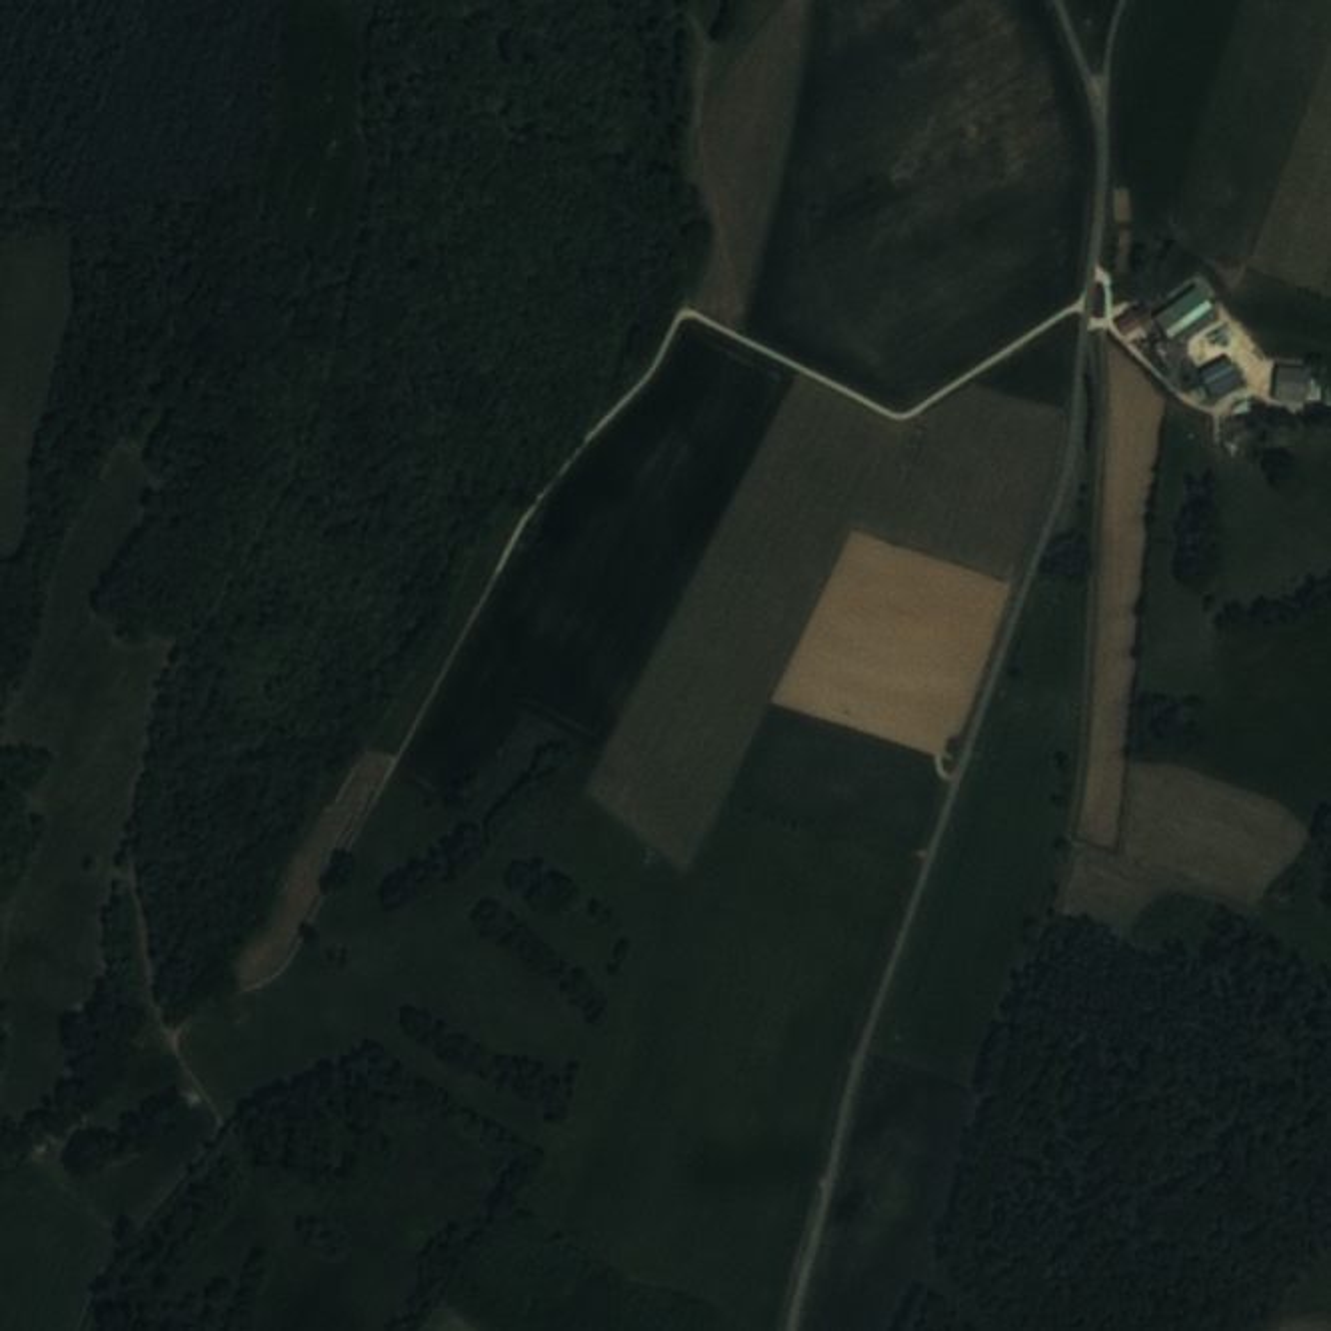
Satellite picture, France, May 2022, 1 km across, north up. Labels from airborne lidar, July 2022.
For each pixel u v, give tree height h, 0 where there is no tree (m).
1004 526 0
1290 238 0
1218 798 0
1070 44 0
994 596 0
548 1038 0
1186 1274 20
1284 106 0
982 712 0
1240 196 0
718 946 0
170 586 17
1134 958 22
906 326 0
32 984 0
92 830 0
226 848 16
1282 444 0
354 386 23
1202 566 19
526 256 14
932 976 0
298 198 8
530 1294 11
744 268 0
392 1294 0
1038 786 0
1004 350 0
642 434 0
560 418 19
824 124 0
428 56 17
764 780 0
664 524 0
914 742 0
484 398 21
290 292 15
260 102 18
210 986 25
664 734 0
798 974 0
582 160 16
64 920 0
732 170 0
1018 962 0
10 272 0
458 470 17
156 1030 0
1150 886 0
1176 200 0
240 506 17
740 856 0
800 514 0
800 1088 0
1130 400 0
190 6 16
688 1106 0
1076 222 0
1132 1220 15
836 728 0
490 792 0
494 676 0
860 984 0
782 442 0
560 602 0
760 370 0
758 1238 0
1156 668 0
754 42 0
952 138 0
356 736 16
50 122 19
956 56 0
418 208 17
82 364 13
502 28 9
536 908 19
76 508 12
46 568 13
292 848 20
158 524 19
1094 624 0
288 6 6
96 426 15
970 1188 19
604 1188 0
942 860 0
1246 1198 18
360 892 0
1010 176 0
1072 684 0
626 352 10
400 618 16
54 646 0
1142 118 0
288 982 0
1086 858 0
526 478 15
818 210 7
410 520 15
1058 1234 16
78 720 0
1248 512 0
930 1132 0
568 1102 9
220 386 17
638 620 0
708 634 0
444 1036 11
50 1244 0
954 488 0
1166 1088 16
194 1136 0
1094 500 0
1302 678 0
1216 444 0
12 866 15
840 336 0
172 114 18
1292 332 0
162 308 7
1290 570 0
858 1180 0
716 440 0
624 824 0
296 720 15
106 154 18
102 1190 0
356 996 0
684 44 16
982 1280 18
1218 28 0
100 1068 20
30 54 19
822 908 0
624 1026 0
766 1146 0
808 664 0
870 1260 0
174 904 14
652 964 0
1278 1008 20
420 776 0
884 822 0
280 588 12
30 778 15
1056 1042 18
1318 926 0
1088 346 0
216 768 18
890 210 0
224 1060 0
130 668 0
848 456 0
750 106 0
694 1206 0
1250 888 0
